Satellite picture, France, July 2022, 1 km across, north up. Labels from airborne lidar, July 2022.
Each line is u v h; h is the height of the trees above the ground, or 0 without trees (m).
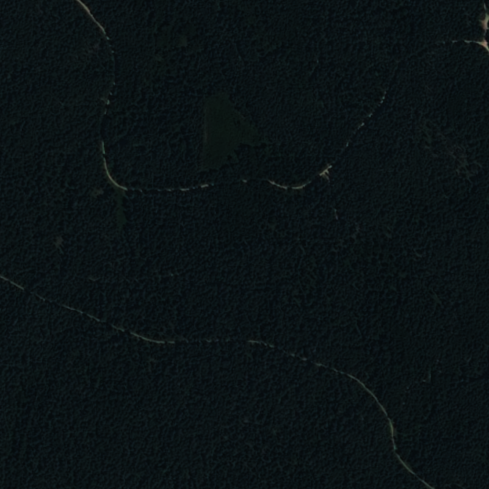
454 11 25
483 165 10
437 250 24
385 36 27
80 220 24
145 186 10
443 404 25
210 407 25
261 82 28
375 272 22
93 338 23
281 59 26
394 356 21
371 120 24
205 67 18
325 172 0
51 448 17
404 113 17
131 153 28
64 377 26
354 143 21
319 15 25
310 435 21
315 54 24
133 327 26
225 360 27
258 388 22
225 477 16
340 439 26
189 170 28
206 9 29
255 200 19
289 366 25
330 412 23
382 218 20
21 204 25
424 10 30
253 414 29
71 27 26
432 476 21
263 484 23
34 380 13
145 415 21
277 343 27
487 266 23
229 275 30
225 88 23
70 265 30
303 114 19
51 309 29
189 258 22
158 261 32
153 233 25
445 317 21
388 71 21
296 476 13
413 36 31
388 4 31
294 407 24
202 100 26
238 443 14
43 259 21
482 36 21
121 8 26
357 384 22
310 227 23
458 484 19
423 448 27
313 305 24
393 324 18
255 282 26
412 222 13
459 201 17
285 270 24
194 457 24
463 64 21
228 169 19
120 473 18
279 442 16
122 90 25
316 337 26
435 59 29
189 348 21
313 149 17
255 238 17
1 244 24
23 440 23
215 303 20
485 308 20
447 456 27
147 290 16
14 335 28
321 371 20
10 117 24
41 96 21
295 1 22
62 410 26
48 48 26
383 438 22
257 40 16
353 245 15
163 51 13
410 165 23
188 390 19
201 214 24
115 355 17
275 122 23
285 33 23
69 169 30
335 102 19
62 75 26
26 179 30
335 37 22
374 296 20
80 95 20
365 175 19
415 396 19
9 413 23
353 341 22
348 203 20
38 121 25
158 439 22
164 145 23
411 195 24
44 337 25
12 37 28
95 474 17
